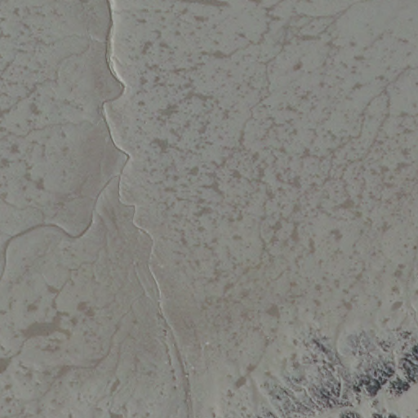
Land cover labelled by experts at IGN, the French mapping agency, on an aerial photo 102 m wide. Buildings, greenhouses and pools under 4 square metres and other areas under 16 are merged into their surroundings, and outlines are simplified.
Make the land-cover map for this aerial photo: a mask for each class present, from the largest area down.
<instances>
[{"label":"bare soil","instance_id":"1","mask_svg":"<svg viewBox=\"0 0 418 418\"><path fill-rule=\"evenodd\" d=\"M0 418H418V0H0Z\"/></svg>","mask_w":418,"mask_h":418}]
</instances>
